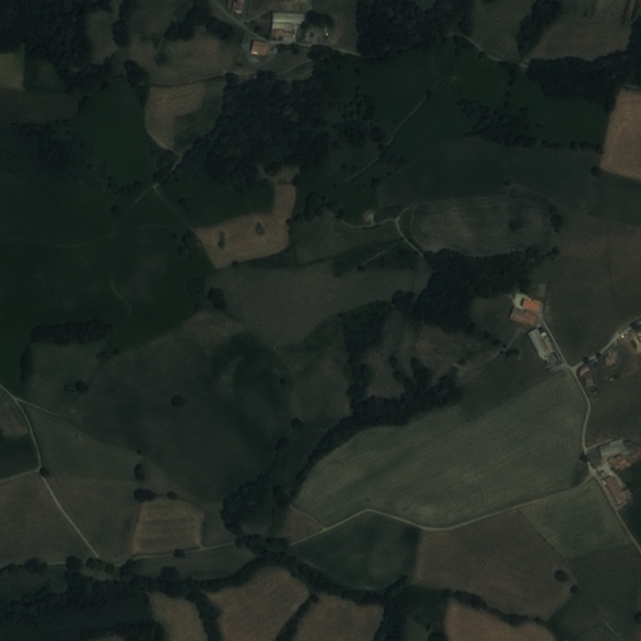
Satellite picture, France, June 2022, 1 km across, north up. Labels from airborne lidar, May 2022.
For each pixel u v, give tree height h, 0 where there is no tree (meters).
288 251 8
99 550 0
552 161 0
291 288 0
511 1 0
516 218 0
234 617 0
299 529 0
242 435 0
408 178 0
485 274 14
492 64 0
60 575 0
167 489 0
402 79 0
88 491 0
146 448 0
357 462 0
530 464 0
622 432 0
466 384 0
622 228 0
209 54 0
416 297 11
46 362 0
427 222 0
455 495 0
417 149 0
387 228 0
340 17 0
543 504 0
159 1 0
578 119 0
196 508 0
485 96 0
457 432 0
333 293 0
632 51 19
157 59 0
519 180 0
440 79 0
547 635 0
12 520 0
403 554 0
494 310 0
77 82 17
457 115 0
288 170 0
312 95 15
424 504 0
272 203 0
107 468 0
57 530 0
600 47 0
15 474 0
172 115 0
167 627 0
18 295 0
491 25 0
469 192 0
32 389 0
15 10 21
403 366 0
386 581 0
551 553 0
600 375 0
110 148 0
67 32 24
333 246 0
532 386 0
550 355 0
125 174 0
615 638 0
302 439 0
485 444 0
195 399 0
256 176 14
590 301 0
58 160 12
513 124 17
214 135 8
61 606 8
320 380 0
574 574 0
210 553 0
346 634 0
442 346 0
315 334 0
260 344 0
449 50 0
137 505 0
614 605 0
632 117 0
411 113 0
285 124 19
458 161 0
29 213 0
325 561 0
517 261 14
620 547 0
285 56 0
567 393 0
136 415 0
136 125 0
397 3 17
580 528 0
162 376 0
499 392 0
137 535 0
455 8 16
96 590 14
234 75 13
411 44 17
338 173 0
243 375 0
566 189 0
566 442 0
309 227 0
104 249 0
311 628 0
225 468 0
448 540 0
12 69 0
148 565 0
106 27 0
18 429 0
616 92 10
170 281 0
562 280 0
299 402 0
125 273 0
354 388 11
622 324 0
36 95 0
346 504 0
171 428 0
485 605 16
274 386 0
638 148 0
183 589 28
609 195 0
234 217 0
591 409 0
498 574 0
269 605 0
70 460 0
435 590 0
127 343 0
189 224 0
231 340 0
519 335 0
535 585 0
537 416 0
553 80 16
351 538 0
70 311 0
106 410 0
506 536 0
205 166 6
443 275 11
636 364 0
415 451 0
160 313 0
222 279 0
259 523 0
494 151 0
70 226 0
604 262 0
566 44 0
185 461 0
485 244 0
